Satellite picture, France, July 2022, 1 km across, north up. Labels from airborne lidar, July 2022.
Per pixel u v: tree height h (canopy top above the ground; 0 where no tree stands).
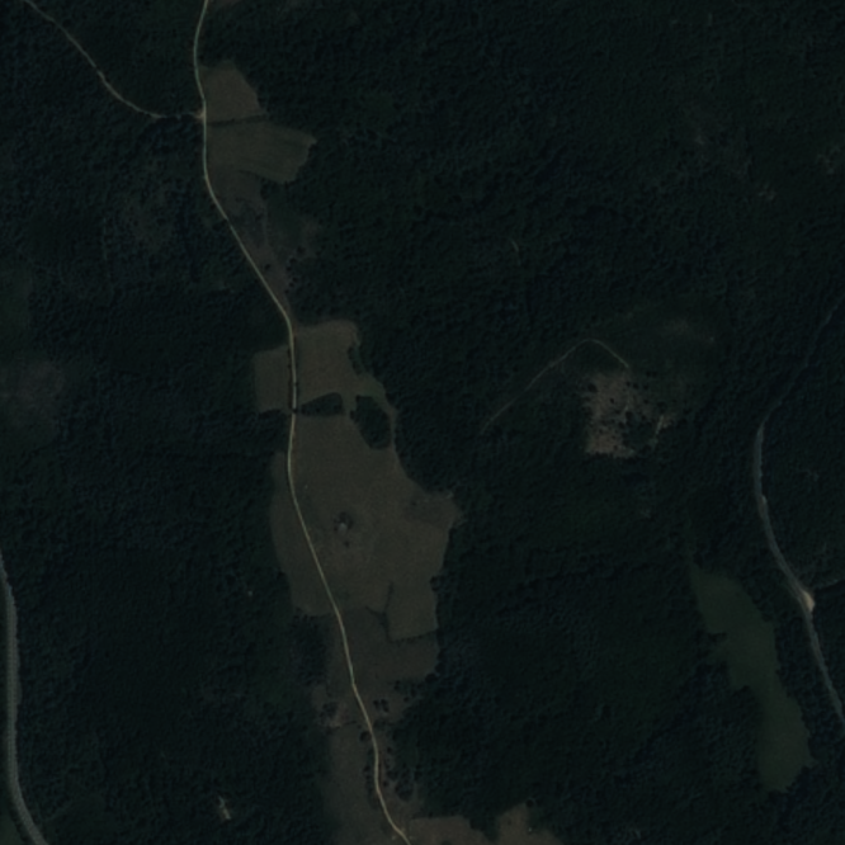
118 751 19
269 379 0
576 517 14
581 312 22
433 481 8
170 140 21
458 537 16
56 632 6
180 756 15
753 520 19
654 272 20
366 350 10
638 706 16
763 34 10
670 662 18
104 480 18
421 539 0
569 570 18
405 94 20
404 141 19
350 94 9
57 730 6
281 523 0
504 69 19
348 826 0
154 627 18
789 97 14
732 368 20
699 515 6
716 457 20
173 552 21
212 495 14
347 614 0
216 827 15
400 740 7
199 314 9
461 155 28
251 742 13
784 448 16
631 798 22
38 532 13
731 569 16
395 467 0
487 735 22
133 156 13
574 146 17
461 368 16
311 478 0
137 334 15
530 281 15
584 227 20
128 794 19
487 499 6
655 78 19
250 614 6
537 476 21
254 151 0
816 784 33
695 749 23
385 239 8
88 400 12
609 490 15
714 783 25
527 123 21
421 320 24
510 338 10
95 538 8
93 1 9
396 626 0
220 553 12
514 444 21
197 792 15
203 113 0
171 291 7
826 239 12
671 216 10
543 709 17
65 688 11
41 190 17
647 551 25
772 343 9
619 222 28
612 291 19
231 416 12
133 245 10
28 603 17
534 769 20
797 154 19
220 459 18
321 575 0
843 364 16
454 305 17
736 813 23
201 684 13
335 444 0
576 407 9
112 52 7
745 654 0
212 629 15
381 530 0
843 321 21
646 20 13
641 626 22
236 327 11
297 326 0
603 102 17
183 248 6
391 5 17
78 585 20
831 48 17
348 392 0
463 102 22
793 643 17
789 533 10
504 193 24
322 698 0
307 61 21
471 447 17
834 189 10
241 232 0
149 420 19
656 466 20
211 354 7
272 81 13
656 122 18
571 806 32
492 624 27
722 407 17
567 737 16
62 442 17
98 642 15
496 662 20
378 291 7
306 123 12
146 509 23
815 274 15
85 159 15
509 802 22
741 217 14
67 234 6
